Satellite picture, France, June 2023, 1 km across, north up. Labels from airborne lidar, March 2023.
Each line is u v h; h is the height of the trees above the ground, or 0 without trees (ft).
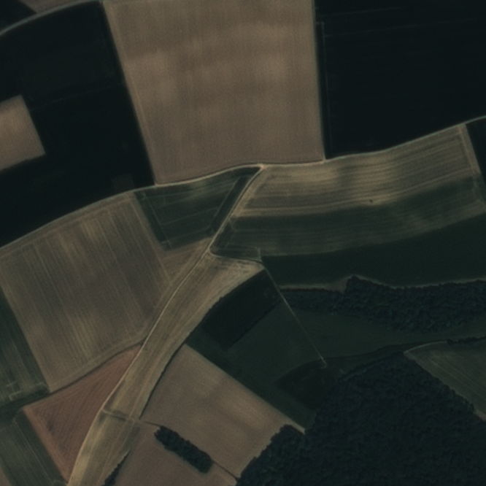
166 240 0
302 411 0
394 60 0
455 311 37
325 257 0
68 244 0
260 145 0
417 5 0
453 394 52
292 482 70
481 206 0
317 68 0
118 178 0
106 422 0
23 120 0
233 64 0
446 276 0
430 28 0
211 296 0
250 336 0
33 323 0
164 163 0
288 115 0
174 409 0
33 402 0
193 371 0
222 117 0
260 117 0
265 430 0
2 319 0
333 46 0
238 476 0
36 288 0
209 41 0
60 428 0
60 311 0
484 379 0
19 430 0
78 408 0
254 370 0
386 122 0
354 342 0
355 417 69
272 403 0
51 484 0
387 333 0
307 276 0
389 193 0
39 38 0
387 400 78
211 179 0
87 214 0
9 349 0
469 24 0
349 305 37
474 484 88
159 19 0
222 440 0
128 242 0
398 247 0
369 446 80
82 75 0
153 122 0
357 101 0
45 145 0
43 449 0
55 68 0
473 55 0
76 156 0
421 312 78
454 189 0
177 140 0
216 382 0
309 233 0
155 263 0
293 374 0
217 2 0
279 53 0
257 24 0
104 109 0
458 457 87
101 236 0
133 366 0
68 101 0
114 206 0
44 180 0
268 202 0
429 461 83
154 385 0
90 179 0
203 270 0
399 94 0
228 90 0
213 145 0
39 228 0
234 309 0
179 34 0
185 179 0
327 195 0
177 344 0
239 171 0
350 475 81
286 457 68
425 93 0
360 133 0
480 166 0
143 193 0
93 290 0
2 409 0
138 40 0
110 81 0
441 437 22
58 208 0
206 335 0
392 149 0
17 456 0
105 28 0
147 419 0
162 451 0
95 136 0
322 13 0
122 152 0
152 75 0
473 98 0
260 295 0
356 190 0
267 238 0
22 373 0
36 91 0
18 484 0
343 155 0
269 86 0
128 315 0
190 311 0
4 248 0
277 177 0
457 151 0
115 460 0
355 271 0
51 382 0
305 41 0
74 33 0
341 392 67
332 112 0
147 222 0
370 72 0
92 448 0
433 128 0
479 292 62
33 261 0
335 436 65
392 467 87
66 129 0
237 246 0
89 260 0
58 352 0
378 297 40
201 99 0
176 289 0
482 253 0
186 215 0
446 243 0
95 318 0
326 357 0
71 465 0
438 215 0
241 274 0
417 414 83
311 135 0
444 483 78
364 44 0
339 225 0
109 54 0
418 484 82
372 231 0
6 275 0
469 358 0
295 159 0
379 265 0
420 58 0
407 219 0
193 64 0
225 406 0
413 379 48
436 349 0
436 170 0
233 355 0
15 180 0
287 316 0
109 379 0
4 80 0
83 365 0
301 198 0
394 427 86
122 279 0
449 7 0
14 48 0
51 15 0
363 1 0
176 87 0
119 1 0
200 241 0
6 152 0
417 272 0
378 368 58
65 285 0
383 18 0
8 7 0
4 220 0
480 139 0
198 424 0
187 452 44
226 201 0
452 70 0
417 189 0
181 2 0
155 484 0
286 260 0
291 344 0
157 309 0
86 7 0
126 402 0
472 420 74
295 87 0
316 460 83
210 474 0
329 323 0
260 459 19
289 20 0
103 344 0
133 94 0
